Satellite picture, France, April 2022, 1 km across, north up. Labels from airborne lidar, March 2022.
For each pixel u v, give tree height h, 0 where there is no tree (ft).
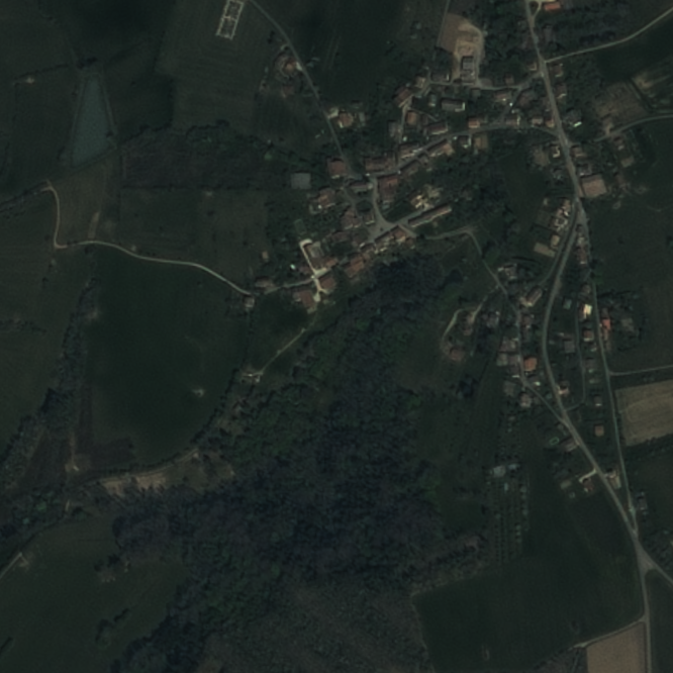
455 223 44
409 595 34
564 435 0
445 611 0
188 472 0
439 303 82
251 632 43
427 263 92
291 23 0
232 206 0
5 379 0
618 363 0
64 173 0
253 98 0
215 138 20
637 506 0
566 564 0
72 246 39
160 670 92
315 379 68
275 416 62
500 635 0
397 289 112
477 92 0
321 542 97
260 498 70
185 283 0
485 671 0
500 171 68
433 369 0
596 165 26
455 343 0
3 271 0
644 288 19
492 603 0
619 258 0
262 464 92
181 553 68
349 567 76
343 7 0
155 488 0
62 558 0
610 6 38
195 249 0
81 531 0
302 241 0
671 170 0
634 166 0
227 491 75
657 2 0
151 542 102
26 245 0
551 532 0
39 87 0
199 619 90
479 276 0
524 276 42
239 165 27
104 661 0
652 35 0
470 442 0
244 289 23
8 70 0
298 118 0
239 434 0
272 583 61
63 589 0
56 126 0
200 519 100
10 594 0
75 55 0
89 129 0
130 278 0
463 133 0
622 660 0
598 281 53
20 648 0
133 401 0
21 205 58
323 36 0
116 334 0
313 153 0
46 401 0
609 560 0
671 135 0
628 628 0
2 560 0
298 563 91
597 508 0
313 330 0
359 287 0
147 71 0
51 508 59
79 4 0
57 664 0
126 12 0
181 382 0
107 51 0
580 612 0
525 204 0
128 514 80
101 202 0
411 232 0
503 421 21
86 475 0
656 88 0
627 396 0
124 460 0
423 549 95
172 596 0
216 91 0
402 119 0
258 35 0
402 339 76
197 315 0
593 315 0
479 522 0
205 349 0
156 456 0
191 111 0
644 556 0
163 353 0
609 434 0
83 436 0
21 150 0
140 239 0
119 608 0
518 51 29
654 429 0
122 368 0
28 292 0
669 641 0
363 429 61
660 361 0
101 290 47
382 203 23
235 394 56
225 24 0
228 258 0
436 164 0
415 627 62
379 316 78
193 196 0
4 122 0
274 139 0
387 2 0
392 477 84
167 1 0
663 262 0
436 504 53
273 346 0
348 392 79
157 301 0
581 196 0
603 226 0
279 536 91
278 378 0
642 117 0
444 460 0
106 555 0
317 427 85
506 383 0
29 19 0
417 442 66
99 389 0
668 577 0
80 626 0
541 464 0
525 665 0
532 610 0
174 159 0
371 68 0
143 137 27
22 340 0
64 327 0
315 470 98
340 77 0
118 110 0
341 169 0
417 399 60
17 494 0
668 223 0
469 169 40
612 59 0
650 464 0
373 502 73
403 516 88
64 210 0
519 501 0
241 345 0
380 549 109
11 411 0
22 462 82
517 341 0
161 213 0
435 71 22
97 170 0
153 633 0
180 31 0
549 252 0
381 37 0
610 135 0
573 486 0
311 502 101
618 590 0
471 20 0
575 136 18
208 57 0
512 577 0
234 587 96
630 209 0
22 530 66
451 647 0
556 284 0
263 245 0
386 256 17
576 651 34
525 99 0
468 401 41
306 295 0
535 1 0
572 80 23
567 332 0
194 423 0
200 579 72
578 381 0
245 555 101
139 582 0
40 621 0
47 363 0
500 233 0
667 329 0
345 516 103
